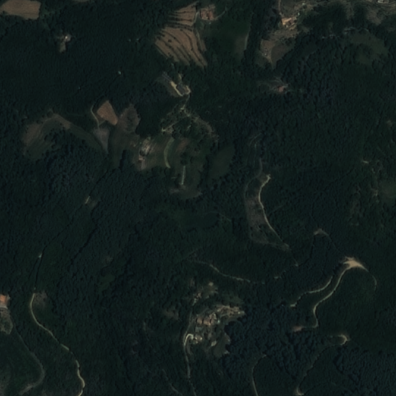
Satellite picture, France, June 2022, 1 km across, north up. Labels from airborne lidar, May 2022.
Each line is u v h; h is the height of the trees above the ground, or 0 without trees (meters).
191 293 12
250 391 12
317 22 9
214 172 0
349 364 35
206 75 13
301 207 14
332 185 14
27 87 14
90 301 43
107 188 35
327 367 12
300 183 15
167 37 0
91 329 16
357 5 8
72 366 8
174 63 7
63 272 28
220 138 14
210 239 18
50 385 10
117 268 11
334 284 8
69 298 45
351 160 18
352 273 8
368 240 14
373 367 36
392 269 11
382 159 15
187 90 0
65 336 26
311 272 17
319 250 17
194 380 6
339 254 13
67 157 10
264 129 17
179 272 14
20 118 9
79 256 36
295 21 13
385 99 22
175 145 0
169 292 13
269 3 6
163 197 22
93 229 10
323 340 34
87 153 36
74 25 16
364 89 16
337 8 7
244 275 8
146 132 17
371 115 14
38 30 20
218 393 16
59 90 14
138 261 26
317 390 12
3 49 11
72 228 34
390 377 39
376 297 11
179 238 21
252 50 11
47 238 18
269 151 21
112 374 15
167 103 17
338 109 14
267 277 8
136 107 13
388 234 14
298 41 13
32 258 20
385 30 8
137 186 31
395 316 20
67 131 6
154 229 27
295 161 15
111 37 12
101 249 35
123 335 16
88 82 16
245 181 19
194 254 6
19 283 23
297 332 0
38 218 12
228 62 11
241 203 11
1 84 10
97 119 0
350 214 15
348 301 8
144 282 19
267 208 10
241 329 40
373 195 13
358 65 15
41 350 22
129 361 22
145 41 16
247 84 14
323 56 16
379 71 13
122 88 12
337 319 11
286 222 6
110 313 10
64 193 35
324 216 13
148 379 17
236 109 7
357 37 0
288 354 43
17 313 14
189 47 0
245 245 21
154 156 0
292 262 8
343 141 20
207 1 0
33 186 22
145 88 7
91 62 16
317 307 8
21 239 9
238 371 36
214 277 7
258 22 15
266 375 14
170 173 18
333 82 24
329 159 16
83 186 30
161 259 21
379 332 9
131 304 22
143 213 32
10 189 22
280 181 7
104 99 18
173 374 7
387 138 16
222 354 0
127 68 15
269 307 13
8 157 13
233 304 9
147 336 11
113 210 38
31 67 15
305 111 19
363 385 36
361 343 11
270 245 9
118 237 37
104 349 19
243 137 18
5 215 18
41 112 14
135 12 11
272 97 11
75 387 8
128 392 8
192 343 8
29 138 0
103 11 12
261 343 41
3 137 13
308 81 20
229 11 7
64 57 13
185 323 8
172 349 12
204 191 17
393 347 11
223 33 0
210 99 19
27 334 17
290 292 23
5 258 20
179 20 8
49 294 21
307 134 15
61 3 18
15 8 0
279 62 21
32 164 7
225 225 17
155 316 12
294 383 10
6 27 14
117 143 0
